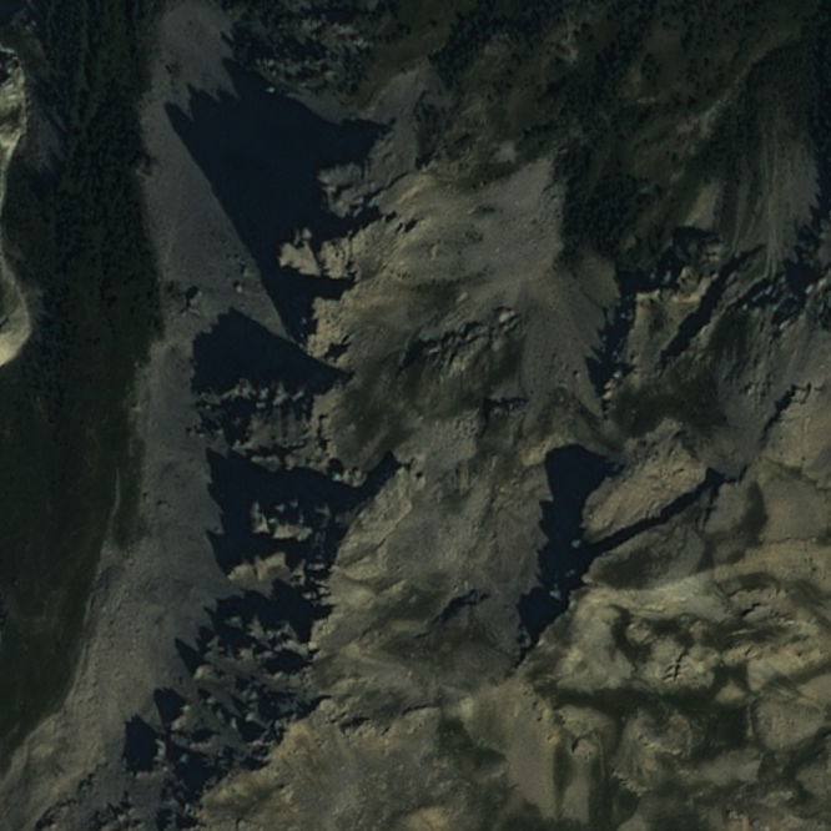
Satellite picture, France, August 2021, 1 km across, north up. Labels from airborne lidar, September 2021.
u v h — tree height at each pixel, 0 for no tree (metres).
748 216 0
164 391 0
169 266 0
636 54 16
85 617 0
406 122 0
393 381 0
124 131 12
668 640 0
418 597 0
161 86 0
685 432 0
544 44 8
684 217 0
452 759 0
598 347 0
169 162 0
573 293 0
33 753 0
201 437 0
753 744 0
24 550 0
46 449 0
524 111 0
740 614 0
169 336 0
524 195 0
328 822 0
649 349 0
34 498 0
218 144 0
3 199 0
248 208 0
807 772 0
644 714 0
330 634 0
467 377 0
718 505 0
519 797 0
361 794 0
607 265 0
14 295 0
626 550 0
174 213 0
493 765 0
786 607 0
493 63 0
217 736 0
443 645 0
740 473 0
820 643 0
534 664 0
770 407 0
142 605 0
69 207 13
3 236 0
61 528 0
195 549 0
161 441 0
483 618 0
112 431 0
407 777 0
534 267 0
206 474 0
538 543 0
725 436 0
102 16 24
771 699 0
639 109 6
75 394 0
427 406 0
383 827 0
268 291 0
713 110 0
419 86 0
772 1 17
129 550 0
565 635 0
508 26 7
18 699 0
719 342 0
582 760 0
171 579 0
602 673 0
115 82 13
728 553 0
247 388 0
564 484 0
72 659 0
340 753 0
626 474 0
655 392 0
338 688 0
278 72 11
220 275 0
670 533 0
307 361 0
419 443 0
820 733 0
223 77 0
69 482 0
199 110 0
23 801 0
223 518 0
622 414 0
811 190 0
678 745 0
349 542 0
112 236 10
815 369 0
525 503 0
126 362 0
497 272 0
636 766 0
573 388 0
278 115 0
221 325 0
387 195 0
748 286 0
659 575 0
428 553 0
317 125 0
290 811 0
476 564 0
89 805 0
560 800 0
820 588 0
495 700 0
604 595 0
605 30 0
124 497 0
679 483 0
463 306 0
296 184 0
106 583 0
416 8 0
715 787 0
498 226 0
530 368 0
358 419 0
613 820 0
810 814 0
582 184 7
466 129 0
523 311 0
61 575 0
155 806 0
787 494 0
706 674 0
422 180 0
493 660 0
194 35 0
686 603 0
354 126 0
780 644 0
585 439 0
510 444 0
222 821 0
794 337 0
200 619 0
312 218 0
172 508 0
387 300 0
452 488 0
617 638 0
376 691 0
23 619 0
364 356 0
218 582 0
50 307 10
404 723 0
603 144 12
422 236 0
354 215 0
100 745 0
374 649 0
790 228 0
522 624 0
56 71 9
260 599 0
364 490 0
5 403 0
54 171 0
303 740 0
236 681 0
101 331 0
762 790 0
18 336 0
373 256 0
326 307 0
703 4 6
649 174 0
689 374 0
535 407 0
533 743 0
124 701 0
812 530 0
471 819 0
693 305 0
